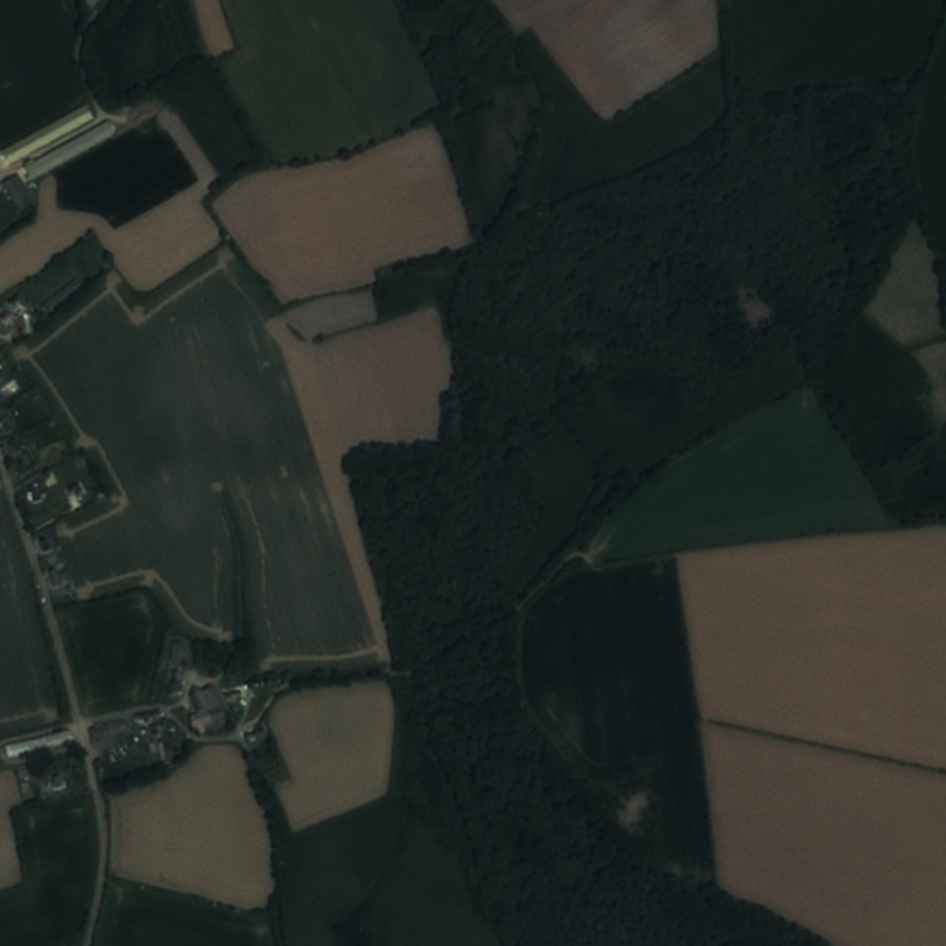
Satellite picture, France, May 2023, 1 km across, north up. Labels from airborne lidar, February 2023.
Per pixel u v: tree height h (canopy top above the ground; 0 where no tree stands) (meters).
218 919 0
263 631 0
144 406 0
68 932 0
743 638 0
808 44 0
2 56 0
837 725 0
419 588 14
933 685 0
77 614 0
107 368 0
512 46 9
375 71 0
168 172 0
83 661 0
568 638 0
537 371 10
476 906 0
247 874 0
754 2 0
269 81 0
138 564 0
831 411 15
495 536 9
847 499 0
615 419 0
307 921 0
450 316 10
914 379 0
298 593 0
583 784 10
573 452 0
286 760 0
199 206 0
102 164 0
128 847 0
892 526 0
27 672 0
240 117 10
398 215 0
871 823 0
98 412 0
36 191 0
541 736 6
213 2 0
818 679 0
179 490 0
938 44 8
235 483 0
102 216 0
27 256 0
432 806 0
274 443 0
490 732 9
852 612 0
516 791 12
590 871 10
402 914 0
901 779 0
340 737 0
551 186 0
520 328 7
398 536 10
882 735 0
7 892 0
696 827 0
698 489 0
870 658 0
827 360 18
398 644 6
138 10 0
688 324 23
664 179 13
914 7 0
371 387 0
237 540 0
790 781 0
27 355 0
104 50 0
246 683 7
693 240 16
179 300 0
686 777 0
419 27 10
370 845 0
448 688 9
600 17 0
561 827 14
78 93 0
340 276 0
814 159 11
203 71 7
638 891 15
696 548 0
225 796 0
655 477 14
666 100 0
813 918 0
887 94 12
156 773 13
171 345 0
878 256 17
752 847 0
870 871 0
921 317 0
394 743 0
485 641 15
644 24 0
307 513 0
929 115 0
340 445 0
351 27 0
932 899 0
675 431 0
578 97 0
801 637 0
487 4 9
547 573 9
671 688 0
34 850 0
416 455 18
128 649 0
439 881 0
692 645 0
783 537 0
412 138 0
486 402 8
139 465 0
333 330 0
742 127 9
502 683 12
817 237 9
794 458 0
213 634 0
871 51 0
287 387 0
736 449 0
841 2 0
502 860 9
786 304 16
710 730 0
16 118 0
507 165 0
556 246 9
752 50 0
